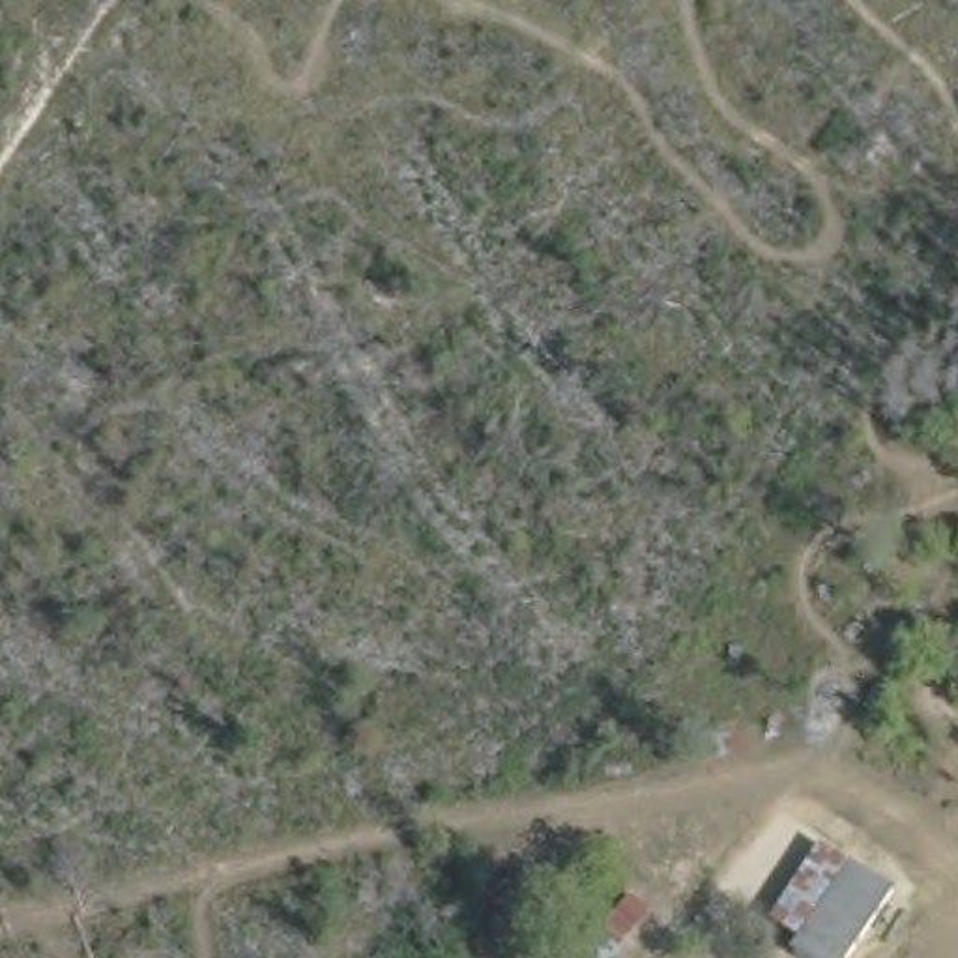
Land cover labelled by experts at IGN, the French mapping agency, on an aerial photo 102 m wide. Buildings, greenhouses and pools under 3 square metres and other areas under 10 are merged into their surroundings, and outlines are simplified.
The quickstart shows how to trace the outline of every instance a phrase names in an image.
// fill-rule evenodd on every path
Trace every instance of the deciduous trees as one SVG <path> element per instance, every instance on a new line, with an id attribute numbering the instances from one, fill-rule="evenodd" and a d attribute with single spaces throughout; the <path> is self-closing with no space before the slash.
<path id="1" fill-rule="evenodd" d="M 453 123 L 434 105 L 423 131 L 423 150 L 438 180 L 460 202 L 460 210 L 483 221 L 483 247 L 494 254 L 494 266 L 509 266 L 509 247 L 528 247 L 535 254 L 561 262 L 558 281 L 580 288 L 580 266 L 569 240 L 558 228 L 543 236 L 528 221 L 528 210 L 539 206 L 543 195 L 539 138 L 531 131 L 479 131 L 468 123 Z"/>
<path id="2" fill-rule="evenodd" d="M 326 243 L 341 232 L 344 217 L 333 202 L 307 202 L 284 213 L 292 213 L 292 228 L 303 232 L 307 243 Z"/>
<path id="3" fill-rule="evenodd" d="M 924 797 L 936 782 L 954 778 L 954 771 L 943 767 L 943 756 L 958 745 L 958 168 L 947 172 L 943 165 L 928 165 L 921 176 L 913 176 L 909 191 L 891 191 L 879 198 L 831 198 L 842 213 L 842 243 L 835 258 L 842 273 L 849 273 L 861 284 L 864 299 L 857 303 L 823 281 L 823 299 L 793 318 L 771 318 L 763 341 L 778 352 L 778 367 L 786 370 L 812 370 L 816 363 L 835 359 L 820 389 L 838 393 L 846 404 L 872 415 L 872 430 L 861 438 L 868 453 L 898 475 L 902 490 L 894 494 L 891 509 L 846 513 L 842 498 L 823 494 L 820 486 L 786 486 L 767 472 L 756 472 L 748 479 L 748 486 L 763 494 L 763 509 L 778 516 L 786 531 L 797 531 L 805 539 L 790 569 L 793 610 L 801 625 L 827 644 L 827 666 L 820 666 L 808 677 L 805 704 L 790 704 L 778 715 L 771 715 L 767 730 L 748 722 L 722 722 L 715 730 L 715 748 L 733 748 L 741 763 L 767 763 L 801 748 L 805 741 L 827 741 L 835 726 L 846 719 L 857 730 L 853 760 L 876 771 L 876 782 L 891 786 L 898 797 Z"/>
<path id="4" fill-rule="evenodd" d="M 599 359 L 569 356 L 565 333 L 558 329 L 539 344 L 535 359 L 543 370 L 602 370 Z"/>
<path id="5" fill-rule="evenodd" d="M 7 322 L 26 322 L 15 307 L 19 281 L 34 284 L 34 296 L 49 292 L 56 206 L 41 206 L 7 191 L 11 225 L 0 221 L 0 314 Z"/>
<path id="6" fill-rule="evenodd" d="M 112 602 L 127 599 L 131 584 L 109 588 L 97 599 L 60 602 L 67 625 L 82 614 L 109 610 Z"/>
<path id="7" fill-rule="evenodd" d="M 352 681 L 352 662 L 329 662 L 314 655 L 299 666 L 303 696 L 311 707 L 318 707 L 322 730 L 337 745 L 352 745 L 356 726 L 337 711 L 337 696 Z"/>
<path id="8" fill-rule="evenodd" d="M 363 281 L 378 284 L 385 296 L 408 292 L 408 266 L 393 262 L 374 236 L 359 236 L 344 254 L 348 273 L 359 273 Z"/>
<path id="9" fill-rule="evenodd" d="M 86 348 L 79 352 L 75 367 L 60 370 L 60 382 L 67 385 L 64 404 L 71 408 L 71 415 L 64 419 L 64 434 L 67 442 L 82 442 L 97 464 L 82 486 L 86 498 L 123 505 L 127 483 L 142 464 L 150 464 L 153 449 L 131 449 L 120 460 L 101 442 L 105 430 L 79 415 L 79 408 L 90 397 L 90 382 L 112 378 L 105 352 Z"/>
<path id="10" fill-rule="evenodd" d="M 206 733 L 213 748 L 240 745 L 243 733 L 236 719 L 213 719 L 187 704 L 183 722 Z"/>
<path id="11" fill-rule="evenodd" d="M 868 138 L 846 109 L 835 109 L 816 127 L 812 153 L 868 146 Z"/>
<path id="12" fill-rule="evenodd" d="M 415 348 L 415 363 L 423 374 L 434 370 L 434 359 L 442 352 L 457 348 L 457 341 L 468 329 L 479 329 L 483 311 L 479 303 L 472 303 L 464 311 L 442 314 L 442 326 L 427 329 L 423 344 Z"/>

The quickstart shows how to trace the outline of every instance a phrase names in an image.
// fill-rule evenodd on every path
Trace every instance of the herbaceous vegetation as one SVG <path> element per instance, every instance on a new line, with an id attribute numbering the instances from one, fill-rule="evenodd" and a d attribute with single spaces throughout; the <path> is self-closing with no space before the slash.
<path id="1" fill-rule="evenodd" d="M 610 939 L 599 947 L 599 958 L 715 958 L 704 947 L 659 954 L 640 943 L 640 936 L 625 932 Z"/>
<path id="2" fill-rule="evenodd" d="M 936 782 L 924 797 L 898 797 L 891 786 L 876 782 L 876 771 L 853 760 L 857 730 L 846 719 L 835 726 L 827 741 L 805 741 L 801 748 L 767 763 L 741 763 L 733 748 L 715 748 L 715 730 L 722 722 L 748 722 L 767 730 L 771 715 L 778 715 L 790 704 L 805 704 L 808 677 L 820 666 L 827 666 L 827 644 L 801 625 L 793 610 L 790 569 L 805 539 L 797 531 L 786 531 L 778 516 L 763 509 L 763 494 L 748 486 L 748 479 L 756 472 L 767 472 L 786 486 L 820 486 L 823 494 L 842 498 L 846 513 L 891 509 L 894 494 L 902 490 L 898 475 L 868 453 L 861 438 L 872 430 L 872 415 L 846 404 L 838 393 L 820 389 L 835 359 L 816 363 L 812 370 L 786 370 L 778 367 L 778 352 L 763 341 L 771 318 L 793 318 L 823 299 L 823 281 L 857 303 L 864 299 L 861 284 L 849 273 L 842 273 L 835 258 L 797 266 L 748 254 L 722 228 L 719 213 L 704 206 L 704 198 L 677 172 L 670 172 L 659 161 L 655 146 L 640 135 L 640 120 L 617 90 L 617 82 L 602 79 L 584 64 L 561 60 L 543 41 L 516 34 L 513 26 L 449 15 L 438 0 L 344 0 L 326 41 L 326 79 L 307 94 L 284 97 L 266 90 L 247 71 L 247 45 L 236 34 L 228 34 L 210 11 L 202 11 L 206 0 L 120 0 L 94 30 L 86 56 L 52 90 L 41 120 L 22 138 L 19 153 L 0 176 L 0 221 L 11 225 L 7 191 L 41 206 L 56 206 L 49 292 L 34 296 L 34 284 L 19 281 L 15 307 L 26 322 L 7 322 L 0 314 L 0 602 L 7 617 L 30 617 L 34 599 L 60 602 L 97 599 L 109 588 L 131 584 L 127 599 L 112 602 L 109 610 L 82 614 L 67 625 L 49 640 L 56 647 L 79 651 L 79 689 L 60 689 L 56 696 L 45 692 L 41 700 L 34 700 L 41 715 L 56 715 L 67 726 L 30 745 L 37 767 L 15 763 L 11 775 L 0 782 L 0 868 L 7 861 L 30 861 L 37 838 L 56 838 L 56 872 L 49 879 L 45 872 L 34 872 L 22 891 L 34 902 L 52 902 L 56 894 L 75 894 L 75 887 L 90 883 L 94 876 L 116 879 L 123 872 L 142 872 L 150 864 L 187 872 L 202 857 L 232 857 L 240 846 L 277 846 L 284 838 L 311 838 L 322 831 L 374 827 L 382 820 L 367 805 L 363 790 L 389 790 L 393 797 L 400 797 L 412 820 L 423 805 L 415 782 L 434 782 L 430 805 L 535 797 L 543 790 L 535 782 L 535 767 L 546 752 L 580 737 L 573 719 L 591 711 L 591 677 L 602 674 L 614 681 L 617 692 L 651 700 L 659 704 L 659 715 L 674 715 L 681 722 L 670 756 L 681 771 L 674 778 L 655 778 L 647 771 L 640 782 L 625 790 L 591 786 L 554 793 L 550 812 L 543 820 L 554 827 L 595 827 L 625 842 L 632 857 L 632 879 L 621 891 L 625 894 L 647 906 L 647 913 L 659 924 L 666 928 L 681 913 L 700 868 L 711 868 L 719 876 L 763 831 L 778 797 L 816 801 L 831 816 L 857 827 L 868 846 L 879 846 L 906 868 L 913 883 L 909 924 L 906 943 L 894 951 L 894 958 L 958 958 L 958 745 L 943 756 L 943 767 L 954 771 L 954 778 Z M 494 266 L 494 254 L 483 247 L 483 221 L 460 210 L 460 202 L 438 180 L 423 150 L 423 131 L 434 105 L 453 123 L 468 123 L 479 131 L 531 131 L 539 138 L 543 195 L 539 206 L 528 210 L 528 221 L 543 236 L 558 228 L 569 240 L 580 266 L 580 288 L 558 281 L 561 262 L 535 254 L 528 247 L 509 247 L 509 266 Z M 303 232 L 292 228 L 292 213 L 284 213 L 307 202 L 333 202 L 344 217 L 341 232 L 326 243 L 307 243 Z M 344 254 L 359 236 L 374 236 L 393 262 L 408 266 L 408 292 L 385 296 L 378 284 L 363 281 L 359 273 L 348 273 Z M 479 329 L 468 329 L 457 341 L 457 348 L 442 352 L 434 359 L 434 370 L 423 374 L 415 363 L 415 348 L 423 344 L 427 329 L 442 326 L 442 314 L 464 311 L 472 303 L 479 303 L 483 311 Z M 535 359 L 539 344 L 558 329 L 565 333 L 569 356 L 599 359 L 602 370 L 543 370 Z M 67 442 L 64 434 L 64 419 L 71 415 L 71 408 L 64 404 L 67 385 L 60 382 L 60 370 L 75 367 L 79 352 L 86 348 L 105 352 L 112 378 L 90 382 L 90 397 L 79 408 L 79 415 L 105 430 L 101 442 L 120 460 L 131 449 L 153 449 L 150 464 L 142 464 L 127 483 L 123 505 L 86 498 L 82 486 L 97 464 L 82 442 Z M 299 666 L 314 655 L 329 662 L 352 662 L 352 681 L 337 696 L 337 711 L 356 726 L 352 745 L 337 745 L 322 730 L 318 707 L 311 707 L 303 696 Z M 243 733 L 240 745 L 213 748 L 206 733 L 183 722 L 187 704 L 213 719 L 236 719 Z"/>
<path id="3" fill-rule="evenodd" d="M 22 112 L 22 94 L 37 90 L 37 56 L 49 56 L 52 64 L 64 60 L 97 0 L 0 0 L 0 131 L 11 116 Z"/>
<path id="4" fill-rule="evenodd" d="M 318 7 L 326 0 L 221 0 L 240 19 L 262 30 L 277 75 L 299 71 Z"/>
<path id="5" fill-rule="evenodd" d="M 670 146 L 689 165 L 700 161 L 700 153 L 711 153 L 719 168 L 733 176 L 733 187 L 726 191 L 730 206 L 748 221 L 748 228 L 767 236 L 775 247 L 805 247 L 808 240 L 816 240 L 823 225 L 820 206 L 797 168 L 775 165 L 760 142 L 730 127 L 707 101 L 692 56 L 685 49 L 677 0 L 524 0 L 528 19 L 569 34 L 569 41 L 588 45 L 591 37 L 606 37 L 610 45 L 602 56 L 632 75 L 640 97 L 651 109 L 655 127 L 670 138 Z"/>
<path id="6" fill-rule="evenodd" d="M 719 86 L 760 127 L 778 135 L 786 146 L 812 153 L 816 127 L 835 109 L 846 109 L 868 138 L 868 146 L 812 153 L 831 180 L 831 198 L 879 198 L 891 191 L 909 191 L 913 176 L 921 176 L 928 165 L 943 165 L 947 172 L 958 168 L 958 0 L 864 0 L 879 19 L 887 19 L 887 26 L 894 26 L 913 49 L 921 49 L 943 71 L 954 97 L 939 101 L 928 79 L 909 64 L 909 56 L 898 56 L 876 30 L 868 30 L 846 7 L 846 0 L 692 0 Z"/>

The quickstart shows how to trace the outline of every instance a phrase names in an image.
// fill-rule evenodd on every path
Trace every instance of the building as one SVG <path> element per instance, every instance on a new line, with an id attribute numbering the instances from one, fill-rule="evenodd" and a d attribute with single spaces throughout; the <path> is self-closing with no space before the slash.
<path id="1" fill-rule="evenodd" d="M 610 939 L 625 932 L 640 936 L 644 928 L 659 924 L 647 913 L 647 906 L 625 894 L 610 909 Z"/>
<path id="2" fill-rule="evenodd" d="M 778 906 L 786 928 L 793 932 L 790 951 L 782 951 L 778 958 L 842 958 L 842 951 L 857 939 L 861 924 L 868 921 L 872 906 L 887 894 L 887 879 L 879 872 L 853 864 L 835 846 L 812 842 Z"/>

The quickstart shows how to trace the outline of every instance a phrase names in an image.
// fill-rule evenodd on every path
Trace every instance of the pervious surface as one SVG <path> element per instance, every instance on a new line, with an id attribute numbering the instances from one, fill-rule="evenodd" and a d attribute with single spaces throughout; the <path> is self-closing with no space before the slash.
<path id="1" fill-rule="evenodd" d="M 266 90 L 284 97 L 307 94 L 326 79 L 326 41 L 344 0 L 326 0 L 318 7 L 299 71 L 277 75 L 262 30 L 240 19 L 221 0 L 206 0 L 202 11 L 210 11 L 228 34 L 236 34 L 247 45 L 247 71 Z"/>
<path id="2" fill-rule="evenodd" d="M 872 906 L 868 921 L 861 924 L 857 939 L 842 951 L 842 958 L 894 958 L 894 951 L 906 943 L 909 924 L 913 883 L 906 868 L 879 846 L 868 846 L 857 827 L 831 816 L 816 801 L 778 797 L 763 831 L 719 876 L 719 891 L 733 898 L 752 898 L 763 913 L 778 906 L 812 842 L 835 846 L 853 864 L 879 872 L 887 879 L 887 894 Z"/>
<path id="3" fill-rule="evenodd" d="M 778 135 L 760 127 L 719 86 L 692 0 L 677 0 L 685 49 L 692 56 L 707 101 L 730 127 L 760 142 L 775 165 L 797 168 L 820 206 L 823 225 L 816 240 L 808 240 L 805 247 L 775 247 L 767 236 L 748 228 L 748 221 L 730 206 L 726 191 L 733 187 L 733 176 L 719 168 L 711 153 L 700 153 L 700 161 L 689 165 L 670 146 L 670 138 L 655 127 L 651 109 L 640 97 L 632 75 L 602 56 L 610 45 L 606 37 L 591 37 L 588 45 L 569 41 L 569 34 L 528 19 L 524 0 L 438 0 L 449 15 L 513 26 L 516 34 L 543 41 L 561 60 L 584 64 L 602 79 L 617 82 L 617 90 L 640 120 L 640 135 L 655 146 L 659 161 L 670 172 L 677 172 L 704 198 L 704 206 L 719 213 L 722 228 L 748 254 L 797 266 L 835 258 L 842 243 L 842 213 L 831 198 L 831 180 L 812 153 L 786 146 Z"/>
<path id="4" fill-rule="evenodd" d="M 52 64 L 49 56 L 37 56 L 37 90 L 22 94 L 22 112 L 11 116 L 0 131 L 0 176 L 19 153 L 22 138 L 41 120 L 52 90 L 86 56 L 94 30 L 120 0 L 97 0 L 64 60 Z"/>
<path id="5" fill-rule="evenodd" d="M 879 19 L 864 0 L 846 0 L 846 7 L 868 30 L 876 30 L 898 56 L 909 56 L 909 64 L 928 79 L 939 101 L 954 97 L 943 71 L 921 49 L 913 49 L 894 26 L 887 26 L 887 19 Z"/>

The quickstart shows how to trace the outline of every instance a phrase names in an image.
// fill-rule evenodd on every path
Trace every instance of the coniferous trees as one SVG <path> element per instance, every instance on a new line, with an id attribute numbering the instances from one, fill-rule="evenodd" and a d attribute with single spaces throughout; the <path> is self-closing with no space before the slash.
<path id="1" fill-rule="evenodd" d="M 75 894 L 56 894 L 52 902 L 34 902 L 22 891 L 34 872 L 45 872 L 49 879 L 56 872 L 56 838 L 37 838 L 30 861 L 7 861 L 0 868 L 0 958 L 599 958 L 599 947 L 610 939 L 610 909 L 625 894 L 621 891 L 632 879 L 632 857 L 625 842 L 595 827 L 554 827 L 543 820 L 550 812 L 554 793 L 591 786 L 625 790 L 640 782 L 647 771 L 655 778 L 674 778 L 681 771 L 670 756 L 681 722 L 674 715 L 659 715 L 659 704 L 651 700 L 617 692 L 614 681 L 602 674 L 591 677 L 591 711 L 573 719 L 580 737 L 546 752 L 535 767 L 535 782 L 543 790 L 535 797 L 430 805 L 434 782 L 415 782 L 423 805 L 412 820 L 400 797 L 393 797 L 389 790 L 363 790 L 367 805 L 382 820 L 374 827 L 322 831 L 311 838 L 284 838 L 277 846 L 240 846 L 232 857 L 202 857 L 187 872 L 150 864 L 142 872 L 123 872 L 116 879 L 94 876 L 90 883 L 75 887 Z"/>
<path id="2" fill-rule="evenodd" d="M 67 625 L 60 602 L 34 599 L 30 617 L 7 617 L 0 602 L 0 782 L 11 775 L 15 763 L 37 767 L 30 745 L 67 726 L 56 715 L 41 715 L 34 700 L 41 700 L 45 692 L 56 696 L 60 689 L 79 689 L 79 651 L 56 647 L 49 640 Z"/>
<path id="3" fill-rule="evenodd" d="M 659 924 L 644 928 L 640 936 L 640 943 L 659 954 L 704 947 L 715 958 L 778 958 L 782 951 L 790 951 L 793 932 L 786 928 L 778 906 L 763 913 L 752 898 L 733 898 L 719 891 L 719 876 L 711 868 L 700 868 L 681 913 L 666 928 Z"/>

